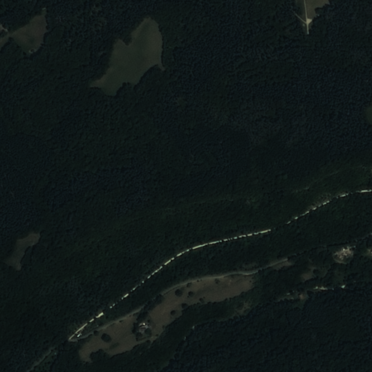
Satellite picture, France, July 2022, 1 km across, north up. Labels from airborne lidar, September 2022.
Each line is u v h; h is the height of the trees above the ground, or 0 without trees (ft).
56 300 81
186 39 46
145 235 68
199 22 44
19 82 61
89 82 64
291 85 74
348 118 93
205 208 62
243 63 35
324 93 95
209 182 56
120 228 50
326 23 54
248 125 94
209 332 82
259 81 56
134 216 55
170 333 41
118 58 0
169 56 47
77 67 51
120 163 100
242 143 52
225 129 51
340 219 74
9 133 69
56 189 80
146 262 46
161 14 59
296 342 70
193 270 55
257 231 47
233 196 36
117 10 61
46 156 59
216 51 65
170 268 63
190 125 62
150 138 54
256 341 89
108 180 101
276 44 59
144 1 78
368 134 39
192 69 66
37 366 26
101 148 61
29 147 74
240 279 0
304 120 86
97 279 61
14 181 56
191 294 49
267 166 66
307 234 85
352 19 73
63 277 102
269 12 65
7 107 45
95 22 52
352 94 97
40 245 29
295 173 37
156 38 0
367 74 62
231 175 47
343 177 70
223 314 56
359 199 74
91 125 61
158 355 44
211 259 79
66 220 66
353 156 42
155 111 44
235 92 83
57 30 71
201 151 52
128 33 56
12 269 42
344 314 47
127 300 59
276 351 86
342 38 61
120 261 73
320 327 54
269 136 89
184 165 70
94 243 73
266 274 43
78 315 75
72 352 75
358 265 69
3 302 82
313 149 57
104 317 33
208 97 29
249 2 72
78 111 73
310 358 83
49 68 76
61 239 71
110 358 28
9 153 66
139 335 38
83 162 56
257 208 89
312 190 61
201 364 77
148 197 78
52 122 93
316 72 77
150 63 0
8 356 75
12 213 79
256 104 86
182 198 59
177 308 0
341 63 57
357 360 90
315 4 0
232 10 57
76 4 70
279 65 59
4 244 63
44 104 75
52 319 93
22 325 51
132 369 50
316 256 60
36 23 0
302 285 51
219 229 51
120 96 63
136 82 0
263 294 31
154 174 88
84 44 57
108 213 57
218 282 28
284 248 73
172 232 65
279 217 81
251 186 50
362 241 40
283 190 74
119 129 68
